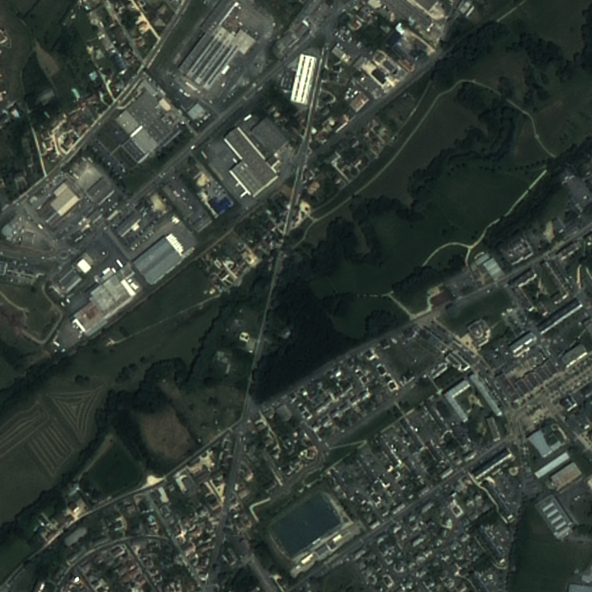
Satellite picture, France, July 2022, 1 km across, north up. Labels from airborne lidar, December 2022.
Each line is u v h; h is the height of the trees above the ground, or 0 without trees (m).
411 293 26
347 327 0
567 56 0
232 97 0
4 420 0
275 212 7
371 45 11
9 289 0
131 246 0
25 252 0
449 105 0
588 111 0
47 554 13
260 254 12
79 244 0
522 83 0
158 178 0
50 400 0
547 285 0
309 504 0
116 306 0
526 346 0
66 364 12
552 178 6
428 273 24
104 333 7
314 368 24
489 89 6
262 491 0
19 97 0
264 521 9
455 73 21
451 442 8
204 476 0
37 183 0
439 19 0
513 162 0
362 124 0
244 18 0
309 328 32
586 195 0
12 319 0
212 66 0
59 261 0
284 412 0
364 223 14
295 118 12
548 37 0
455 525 0
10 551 0
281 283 15
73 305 0
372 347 0
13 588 0
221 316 10
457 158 12
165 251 0
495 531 0
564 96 0
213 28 0
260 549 14
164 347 0
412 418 0
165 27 0
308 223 0
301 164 0
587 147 15
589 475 0
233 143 0
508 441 0
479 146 0
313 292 19
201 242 0
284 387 16
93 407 0
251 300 7
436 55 0
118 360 0
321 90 0
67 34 6
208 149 0
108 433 13
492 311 0
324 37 0
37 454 0
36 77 7
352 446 0
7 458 0
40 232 0
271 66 0
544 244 13
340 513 0
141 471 0
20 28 0
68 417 0
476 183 0
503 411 13
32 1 0
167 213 0
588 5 0
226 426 0
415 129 0
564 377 0
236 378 0
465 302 0
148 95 0
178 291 0
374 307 0
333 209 0
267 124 0
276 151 0
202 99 0
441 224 0
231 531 6
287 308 15
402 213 14
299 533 0
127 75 0
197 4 0
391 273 0
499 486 0
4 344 6
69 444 0
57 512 6
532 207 8
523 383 0
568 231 0
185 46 0
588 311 0
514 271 0
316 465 0
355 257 15
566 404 0
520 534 12
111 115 0
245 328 0
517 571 6
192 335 0
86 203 0
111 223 0
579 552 0
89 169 0
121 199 8
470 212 0
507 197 0
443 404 10
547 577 0
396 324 20
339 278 0
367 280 0
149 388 18
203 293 0
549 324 0
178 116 0
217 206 0
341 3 0
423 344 0
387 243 0
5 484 0
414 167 0
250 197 0
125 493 0
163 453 0
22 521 16
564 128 0
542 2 0
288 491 0
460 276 0
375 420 0
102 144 0
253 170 0
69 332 0
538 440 0
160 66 0
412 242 0
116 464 0
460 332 0
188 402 0
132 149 0
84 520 12
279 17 0
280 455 7
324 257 18
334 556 0
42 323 0
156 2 0
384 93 0
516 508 0
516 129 0
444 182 0
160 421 0
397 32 0
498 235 10
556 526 0
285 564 0
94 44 0
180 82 0
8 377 0
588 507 0
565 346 0
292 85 0
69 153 0
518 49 22
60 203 0
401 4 0
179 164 0
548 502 0
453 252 0
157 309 0
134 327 0
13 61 0
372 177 0
